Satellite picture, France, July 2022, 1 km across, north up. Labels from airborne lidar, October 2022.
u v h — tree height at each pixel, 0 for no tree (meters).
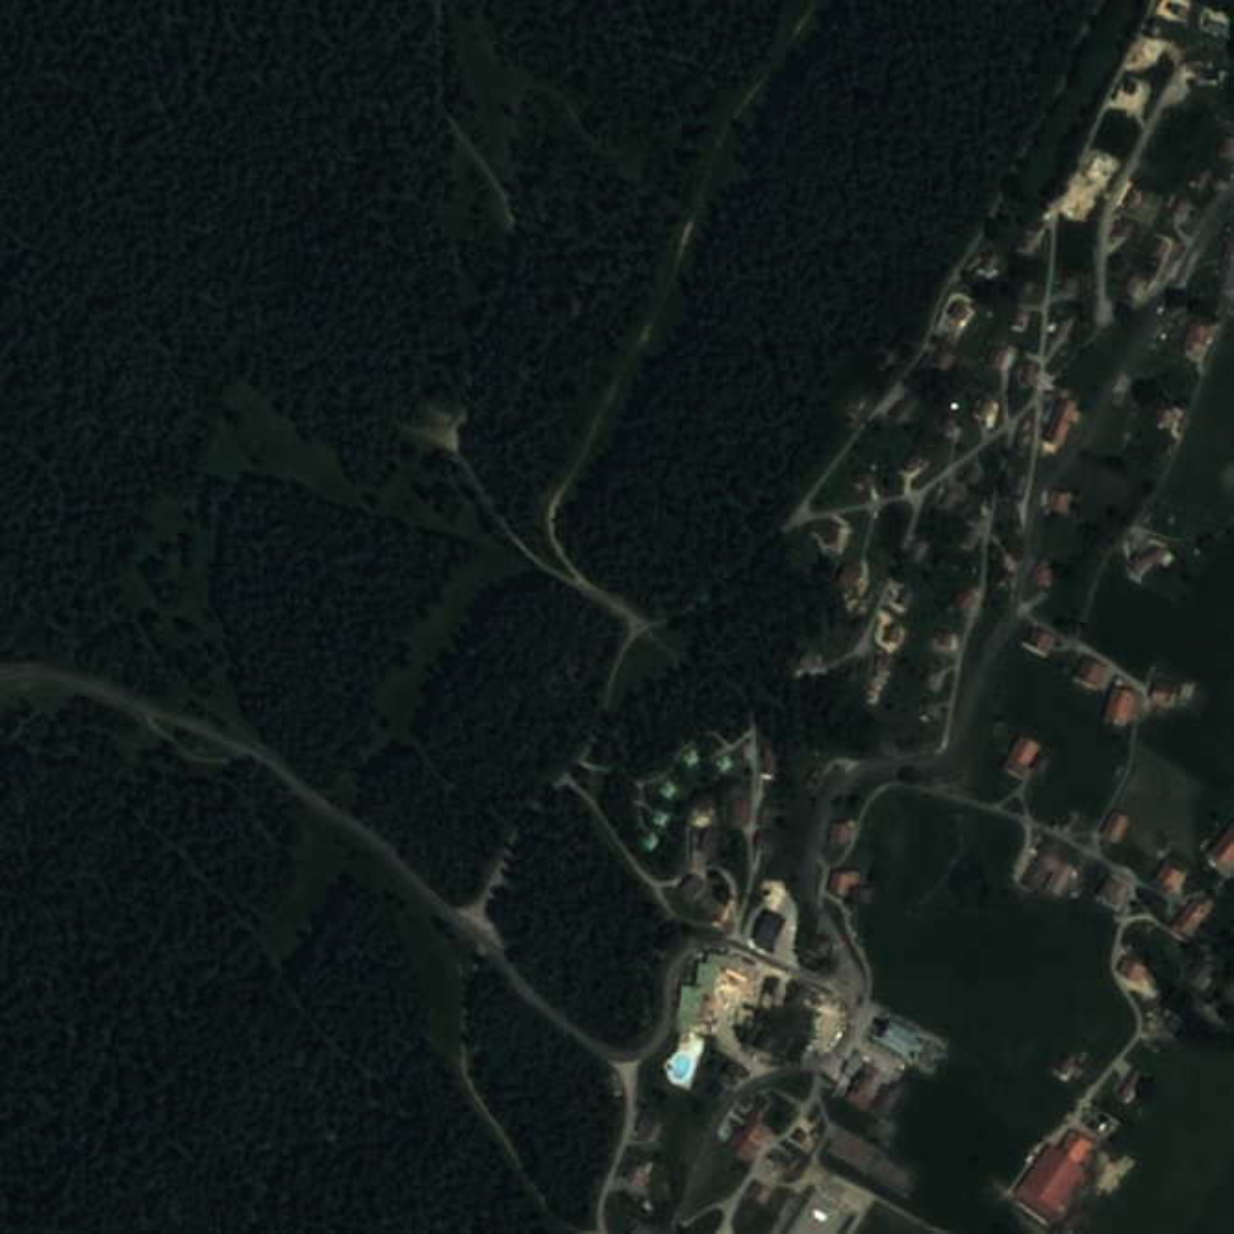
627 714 8
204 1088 31
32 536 18
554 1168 17
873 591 0
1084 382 0
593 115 6
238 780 29
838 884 0
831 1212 0
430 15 11
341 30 29
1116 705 0
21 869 25
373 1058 30
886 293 23
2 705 0
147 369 29
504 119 0
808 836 0
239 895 14
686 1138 0
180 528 0
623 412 0
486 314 14
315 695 29
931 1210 0
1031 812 0
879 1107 0
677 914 0
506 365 25
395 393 29
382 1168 25
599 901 19
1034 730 0
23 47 29
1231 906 0
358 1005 29
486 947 0
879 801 0
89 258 7
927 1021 0
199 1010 15
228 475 0
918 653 0
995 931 0
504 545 9
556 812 32
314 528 19
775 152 28
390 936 29
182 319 36
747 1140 0
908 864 0
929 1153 0
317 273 26
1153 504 0
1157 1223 0
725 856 13
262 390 31
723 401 25
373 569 9
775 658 10
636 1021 12
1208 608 0
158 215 17
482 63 0
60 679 0
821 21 0
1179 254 0
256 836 26
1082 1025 0
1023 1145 0
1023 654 0
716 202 0
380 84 11
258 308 27
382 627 23
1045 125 7
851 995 0
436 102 30
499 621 34
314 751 26
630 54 32
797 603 11
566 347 13
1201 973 0
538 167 14
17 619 25
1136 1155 0
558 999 10
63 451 13
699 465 12
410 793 25
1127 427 0
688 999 0
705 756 11
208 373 28
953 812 0
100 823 12
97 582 31
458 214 0
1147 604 0
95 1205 21
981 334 0
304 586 33
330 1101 9
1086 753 0
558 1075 19
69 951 25
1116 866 0
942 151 25
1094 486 0
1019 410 0
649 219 13
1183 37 0
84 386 23
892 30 28
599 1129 14
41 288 32
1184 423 0
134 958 26
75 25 14
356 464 20
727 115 0
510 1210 29
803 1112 0
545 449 10
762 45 13
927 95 18
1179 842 0
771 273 30
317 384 33
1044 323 0
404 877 0
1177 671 0
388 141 31
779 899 0
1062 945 0
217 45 36
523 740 11
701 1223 0
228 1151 15
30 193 26
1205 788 0
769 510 9
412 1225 20
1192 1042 17
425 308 12
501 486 22
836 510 0
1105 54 0
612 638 11
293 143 31
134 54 26
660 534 12
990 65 10
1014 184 18
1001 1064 0
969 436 0
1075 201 0
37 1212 18
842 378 6
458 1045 0
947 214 12
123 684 7
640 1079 0
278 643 28
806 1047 0
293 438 0
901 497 0
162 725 0
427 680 0
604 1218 0
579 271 35
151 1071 24
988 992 0
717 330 34
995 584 8
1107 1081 0
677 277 0
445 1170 30
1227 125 0
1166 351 0
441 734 28
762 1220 0
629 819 8
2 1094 28
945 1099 0
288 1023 25
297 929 0
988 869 0
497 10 28
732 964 0
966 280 10
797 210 32
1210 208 0
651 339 0
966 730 0
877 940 0
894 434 0
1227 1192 0
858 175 21
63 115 33
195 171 30
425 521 0
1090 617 0
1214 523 0
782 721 24
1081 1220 0
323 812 0
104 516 30
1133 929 0
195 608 0
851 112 32
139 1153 21
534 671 12
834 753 0
